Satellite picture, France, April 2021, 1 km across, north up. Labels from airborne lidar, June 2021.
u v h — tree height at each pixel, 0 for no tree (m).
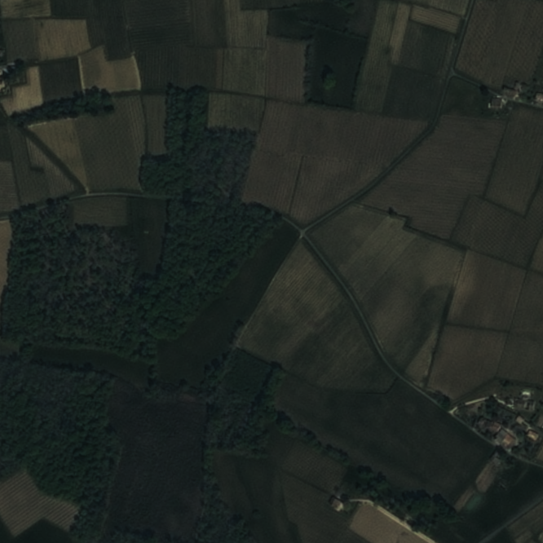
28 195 0
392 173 0
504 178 0
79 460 26
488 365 0
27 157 0
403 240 0
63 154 0
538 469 0
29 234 20
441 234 0
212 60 0
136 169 0
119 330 24
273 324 0
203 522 20
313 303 0
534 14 0
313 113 0
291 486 0
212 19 0
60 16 0
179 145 21
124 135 0
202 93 17
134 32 0
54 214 19
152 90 0
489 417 6
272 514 0
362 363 0
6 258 0
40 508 0
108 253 20
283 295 0
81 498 14
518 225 0
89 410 18
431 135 0
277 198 0
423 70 0
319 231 0
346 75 0
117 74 0
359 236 0
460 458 0
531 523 0
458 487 0
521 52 0
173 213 19
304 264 0
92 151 0
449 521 20
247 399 8
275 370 14
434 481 0
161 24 0
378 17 0
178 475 6
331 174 0
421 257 0
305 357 0
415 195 0
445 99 0
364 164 0
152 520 6
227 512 18
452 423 0
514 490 0
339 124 0
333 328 0
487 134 0
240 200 19
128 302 31
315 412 0
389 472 0
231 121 0
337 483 0
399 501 16
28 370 20
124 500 6
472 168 0
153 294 26
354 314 0
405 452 0
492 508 0
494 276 0
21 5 0
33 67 0
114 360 0
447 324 0
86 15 0
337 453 16
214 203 19
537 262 0
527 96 10
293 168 0
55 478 20
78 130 0
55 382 20
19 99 0
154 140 0
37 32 0
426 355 0
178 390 9
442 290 0
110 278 15
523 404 0
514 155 0
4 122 0
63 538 0
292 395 0
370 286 0
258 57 0
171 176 23
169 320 28
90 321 24
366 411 0
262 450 12
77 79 0
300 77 0
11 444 22
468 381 0
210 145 20
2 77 7
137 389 5
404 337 0
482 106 0
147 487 6
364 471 16
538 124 0
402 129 0
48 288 20
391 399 0
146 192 17
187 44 0
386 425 0
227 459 0
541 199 0
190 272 20
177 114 18
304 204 0
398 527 0
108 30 0
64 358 0
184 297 24
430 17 0
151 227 0
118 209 0
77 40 0
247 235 20
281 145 0
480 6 0
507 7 0
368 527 0
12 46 0
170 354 0
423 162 0
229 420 20
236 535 13
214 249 18
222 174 19
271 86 0
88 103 13
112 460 15
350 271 0
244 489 0
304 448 0
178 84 0
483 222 0
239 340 15
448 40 0
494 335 0
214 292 18
